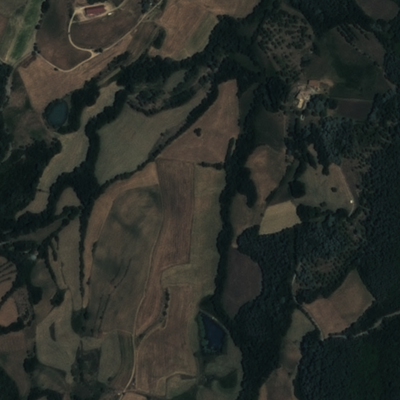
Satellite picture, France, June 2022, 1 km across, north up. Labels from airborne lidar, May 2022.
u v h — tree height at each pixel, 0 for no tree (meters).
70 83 0
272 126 0
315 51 13
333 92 0
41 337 0
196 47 0
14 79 0
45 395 8
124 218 0
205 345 0
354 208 0
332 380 29
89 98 14
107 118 22
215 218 0
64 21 0
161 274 0
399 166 19
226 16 14
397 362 15
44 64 0
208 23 0
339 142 19
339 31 12
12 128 0
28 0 0
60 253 0
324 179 0
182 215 0
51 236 6
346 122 23
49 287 0
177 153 0
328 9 21
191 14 0
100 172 0
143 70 23
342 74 0
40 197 0
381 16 0
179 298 0
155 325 0
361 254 16
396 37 15
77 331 0
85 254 0
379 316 9
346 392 26
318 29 22
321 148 19
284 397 0
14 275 0
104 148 0
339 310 0
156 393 0
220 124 0
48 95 0
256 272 0
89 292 0
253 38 10
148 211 0
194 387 0
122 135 0
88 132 23
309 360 11
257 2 0
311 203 0
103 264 0
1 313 0
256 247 14
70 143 0
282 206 0
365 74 0
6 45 0
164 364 0
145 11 11
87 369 0
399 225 22
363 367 11
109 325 0
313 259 19
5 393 13
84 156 0
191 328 0
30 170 8
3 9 0
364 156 9
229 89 0
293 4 14
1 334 7
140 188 0
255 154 0
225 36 24
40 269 0
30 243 12
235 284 0
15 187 9
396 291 12
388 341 16
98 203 0
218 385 0
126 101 27
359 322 10
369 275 22
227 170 14
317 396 26
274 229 0
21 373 0
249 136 24
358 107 0
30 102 0
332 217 16
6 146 11
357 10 18
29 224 17
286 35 0
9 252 8
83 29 0
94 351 0
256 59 22
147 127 0
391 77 19
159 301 0
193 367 0
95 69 0
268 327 16
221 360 0
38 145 14
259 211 0
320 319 0
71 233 0
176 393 0
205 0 0
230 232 17
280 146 0
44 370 0
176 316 0
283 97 13
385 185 20
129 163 0
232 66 20
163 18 0
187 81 15
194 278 0
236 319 13
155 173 0
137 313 0
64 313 0
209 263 0
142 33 0
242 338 22
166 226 0
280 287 17
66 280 0
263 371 20
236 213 0
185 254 0
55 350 0
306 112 18
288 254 24
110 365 0
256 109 19
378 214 13
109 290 0
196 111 15
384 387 15
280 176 0
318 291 9
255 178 0
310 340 20
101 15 0
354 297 0
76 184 26
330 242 21
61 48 0
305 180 0
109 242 0
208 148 0
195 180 0
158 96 21
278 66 0
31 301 12
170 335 0
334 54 0
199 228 0
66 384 0
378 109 15
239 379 0
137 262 0
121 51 0
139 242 0
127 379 0
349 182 0
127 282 0
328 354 23
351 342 18
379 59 0
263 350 19
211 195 0
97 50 10
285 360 0
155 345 0
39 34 0
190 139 0
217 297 23
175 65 22
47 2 11
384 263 25
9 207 18
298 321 0
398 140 20
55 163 0
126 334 0
